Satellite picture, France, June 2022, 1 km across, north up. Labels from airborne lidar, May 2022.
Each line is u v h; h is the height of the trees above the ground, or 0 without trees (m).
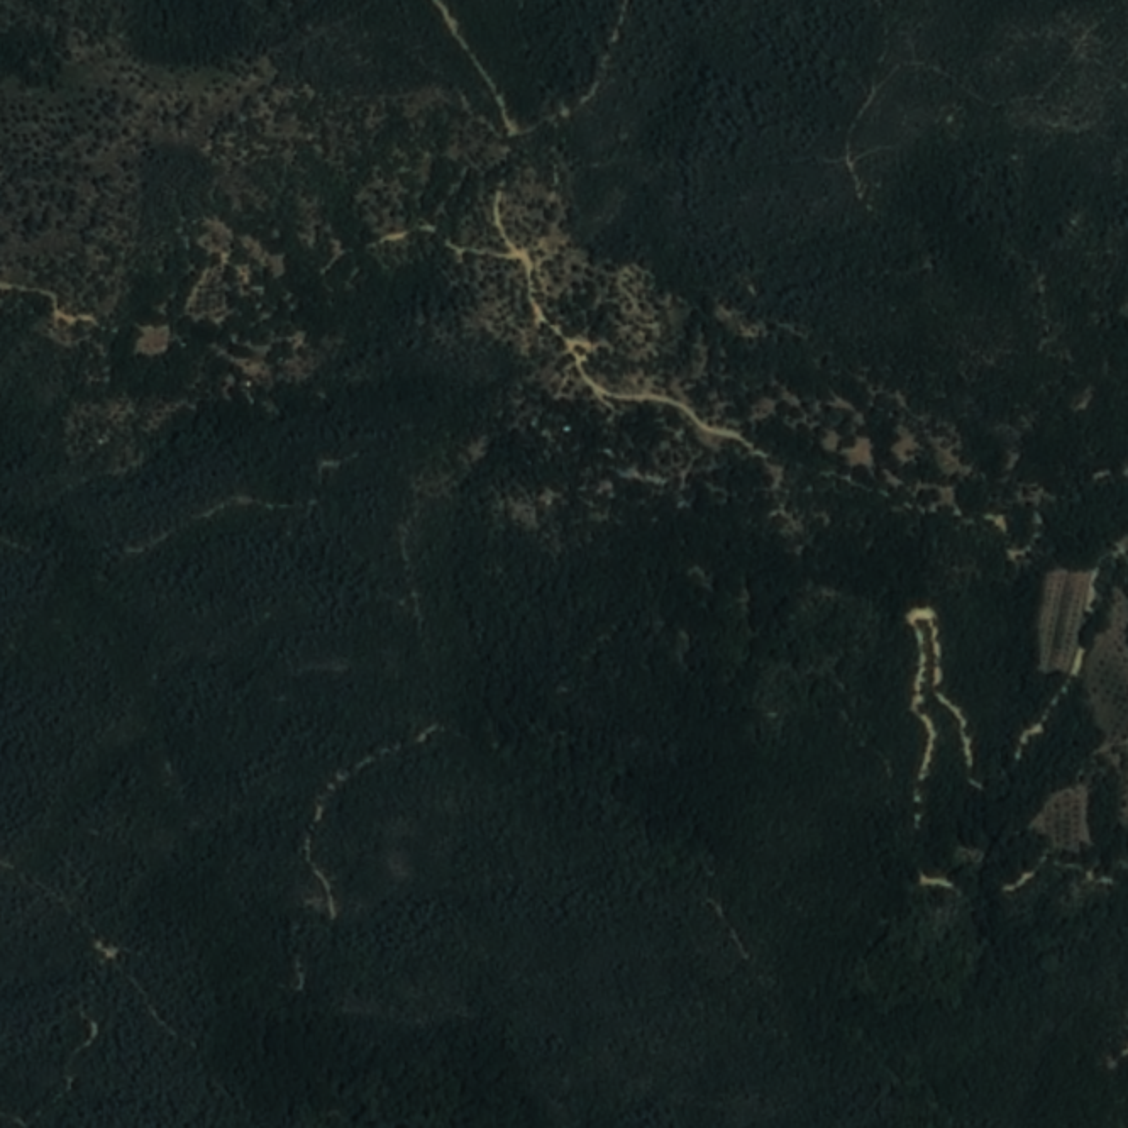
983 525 9
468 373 7
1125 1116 14
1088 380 11
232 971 16
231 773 7
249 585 13
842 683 8
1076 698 10
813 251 7
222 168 7
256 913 8
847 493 10
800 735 10
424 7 8
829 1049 12
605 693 8
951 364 8
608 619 11
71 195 13
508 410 7
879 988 13
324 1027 10
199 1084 15
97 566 13
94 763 6
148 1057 15
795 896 8
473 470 7
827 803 7
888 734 6
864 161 6
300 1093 12
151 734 6
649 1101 9
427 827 7
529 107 7
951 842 17
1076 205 16
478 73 8
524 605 13
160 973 7
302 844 9
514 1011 9
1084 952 12
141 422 8
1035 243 7
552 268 13
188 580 14
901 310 9
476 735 13
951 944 9
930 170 9
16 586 15
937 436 5
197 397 10
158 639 10
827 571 15
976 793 15
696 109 10
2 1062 7
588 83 8
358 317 8
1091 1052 10
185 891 12
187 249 8
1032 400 11
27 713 16
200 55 8
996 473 19
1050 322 8
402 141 7
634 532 12
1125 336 17
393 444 7
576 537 8
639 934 9
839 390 7
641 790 15
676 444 8
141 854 8
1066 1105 17
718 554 14
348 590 7
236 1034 15
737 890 10
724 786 12
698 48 9
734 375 10
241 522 8
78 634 10
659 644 16
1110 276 10
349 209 9
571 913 14
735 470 8
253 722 5
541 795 10
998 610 8
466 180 8
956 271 11
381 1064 16
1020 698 10
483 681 12
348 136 7
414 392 13
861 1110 11
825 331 6
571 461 8
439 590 9
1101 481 6
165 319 11
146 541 14
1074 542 14
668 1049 8
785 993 8
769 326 8
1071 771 8
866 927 16
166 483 16
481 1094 13
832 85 14
